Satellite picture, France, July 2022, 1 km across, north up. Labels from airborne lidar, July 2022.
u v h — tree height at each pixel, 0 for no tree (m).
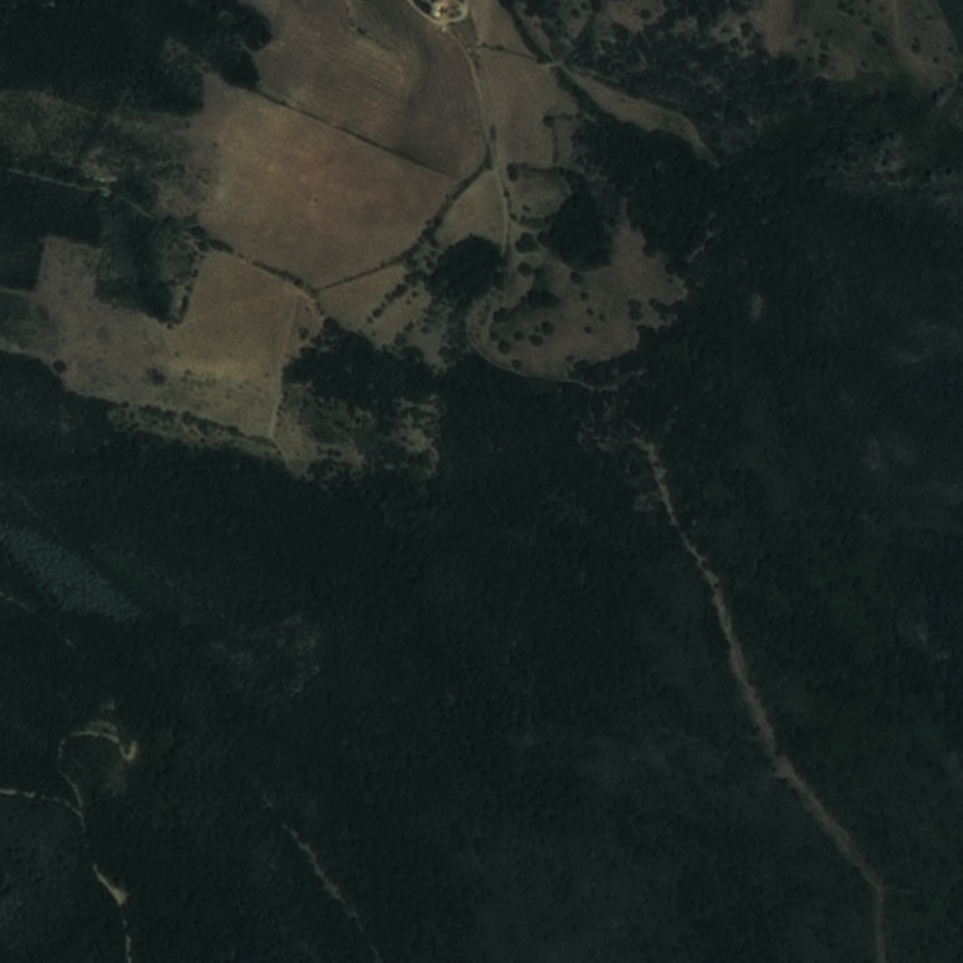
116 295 8
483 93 0
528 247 8
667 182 12
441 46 0
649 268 0
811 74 0
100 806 10
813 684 11
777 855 7
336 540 18
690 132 0
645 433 6
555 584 10
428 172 0
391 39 0
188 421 7
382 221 0
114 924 12
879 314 6
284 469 6
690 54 7
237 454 6
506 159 0
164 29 8
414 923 13
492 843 6
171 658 11
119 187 8
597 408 9
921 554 6
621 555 10
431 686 17
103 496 12
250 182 0
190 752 17
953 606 10
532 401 10
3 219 9
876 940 0
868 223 8
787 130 0
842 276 6
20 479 10
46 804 10
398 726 8
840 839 0
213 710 10
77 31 14
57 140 6
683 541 7
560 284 0
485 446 10
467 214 0
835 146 10
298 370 8
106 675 17
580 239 15
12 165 12
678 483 9
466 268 10
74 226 10
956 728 9
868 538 7
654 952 8
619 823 7
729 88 9
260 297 0
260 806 9
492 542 7
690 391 9
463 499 15
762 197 7
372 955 11
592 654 10
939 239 9
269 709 9
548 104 0
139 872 13
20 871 9
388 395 6
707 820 7
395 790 6
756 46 6
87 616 15
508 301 0
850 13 5
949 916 8
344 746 8
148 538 11
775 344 10
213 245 6
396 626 14
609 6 0
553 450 6
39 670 10
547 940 8
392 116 0
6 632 11
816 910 7
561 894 6
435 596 12
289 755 10
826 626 9
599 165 8
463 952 6
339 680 10
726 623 0
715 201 11
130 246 8
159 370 0
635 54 8
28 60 11
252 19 10
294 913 11
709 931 9
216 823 8
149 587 8
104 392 0
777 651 10
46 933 14
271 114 0
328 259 0
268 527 16
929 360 6
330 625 10
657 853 7
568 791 13
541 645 12
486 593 10
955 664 9
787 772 0
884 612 6
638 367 9
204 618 9
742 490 7
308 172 0
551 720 8
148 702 17
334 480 6
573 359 6
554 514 6
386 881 15
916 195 8
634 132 12
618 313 0
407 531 10
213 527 12
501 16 0
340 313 0
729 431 13
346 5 0
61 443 11
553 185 0
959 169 8
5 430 12
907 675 9
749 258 11
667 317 6
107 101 8
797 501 6
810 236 8
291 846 7
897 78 0
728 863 8
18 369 6
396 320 0
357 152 0
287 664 8
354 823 13
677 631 9
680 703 8
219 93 0
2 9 10
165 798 11
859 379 7
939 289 6
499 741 7
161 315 8
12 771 13
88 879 12
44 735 6
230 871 11
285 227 0
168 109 10
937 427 8
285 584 11
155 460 10
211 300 0
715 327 16
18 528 7
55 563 15
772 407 6
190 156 0
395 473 9
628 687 6
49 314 0
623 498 9
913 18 0
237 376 0
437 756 8
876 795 7
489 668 15
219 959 16
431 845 7
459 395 10
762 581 9
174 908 15
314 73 0
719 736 9
